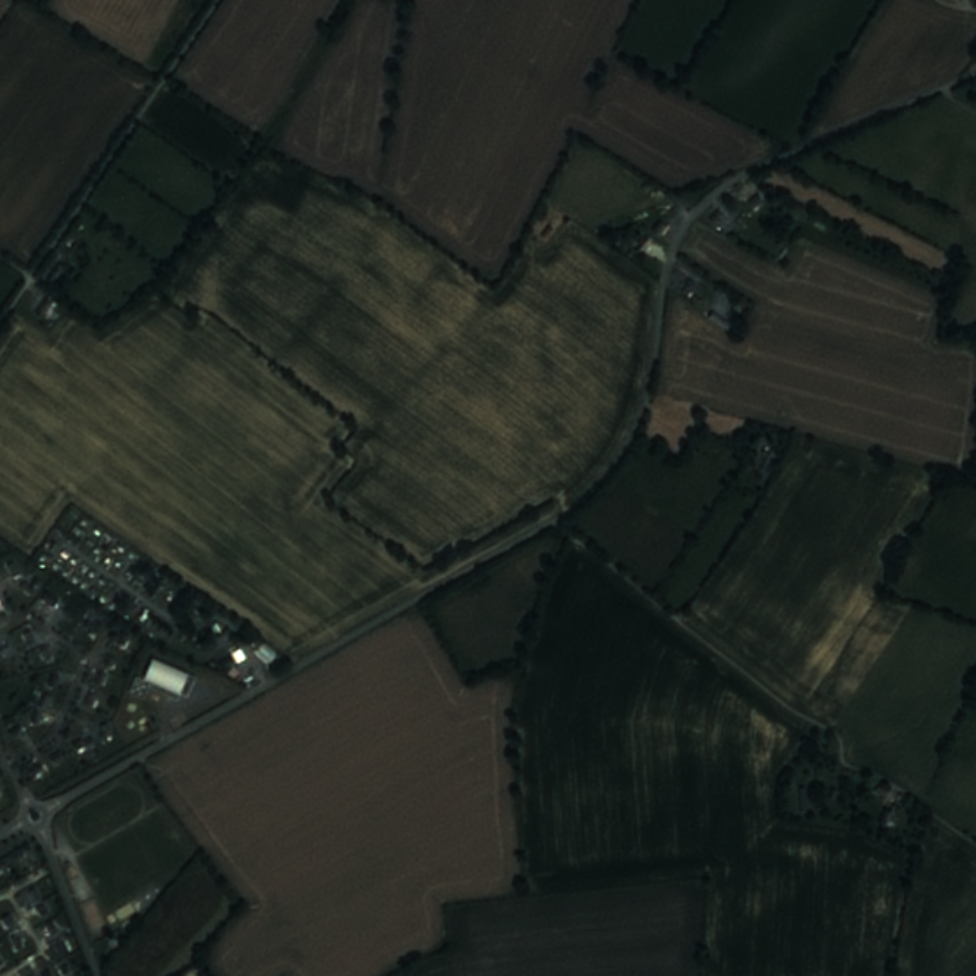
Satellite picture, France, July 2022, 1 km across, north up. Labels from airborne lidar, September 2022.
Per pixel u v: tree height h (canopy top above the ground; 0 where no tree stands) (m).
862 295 0
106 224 13
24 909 0
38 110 0
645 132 0
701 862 0
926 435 0
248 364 0
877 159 0
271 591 0
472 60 0
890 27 0
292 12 0
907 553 17
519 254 15
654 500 0
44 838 0
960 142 0
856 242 12
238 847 0
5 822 5
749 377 0
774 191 8
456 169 0
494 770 0
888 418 0
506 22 0
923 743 0
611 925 0
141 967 0
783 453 7
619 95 0
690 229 0
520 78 0
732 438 12
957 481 19
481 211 0
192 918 0
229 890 7
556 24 0
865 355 0
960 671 0
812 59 0
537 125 0
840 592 0
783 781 9
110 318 7
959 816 0
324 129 0
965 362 0
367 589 0
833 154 14
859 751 0
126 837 0
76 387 0
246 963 0
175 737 0
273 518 0
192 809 0
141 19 0
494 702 0
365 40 0
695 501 0
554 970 0
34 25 0
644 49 0
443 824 0
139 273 0
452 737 0
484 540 7
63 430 0
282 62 0
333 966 0
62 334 0
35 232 0
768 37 0
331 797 0
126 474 0
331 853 0
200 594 14
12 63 0
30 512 0
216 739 0
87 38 18
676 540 0
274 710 0
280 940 0
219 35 0
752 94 0
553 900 0
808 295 0
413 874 0
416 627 0
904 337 0
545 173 0
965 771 0
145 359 0
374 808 0
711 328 0
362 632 0
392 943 0
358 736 0
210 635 13
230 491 0
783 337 0
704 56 12
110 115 0
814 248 0
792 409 0
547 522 0
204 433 0
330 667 0
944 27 0
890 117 14
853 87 0
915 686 0
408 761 0
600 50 0
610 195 0
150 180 0
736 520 0
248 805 0
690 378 0
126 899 0
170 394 0
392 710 0
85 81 0
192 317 16
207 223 21
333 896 0
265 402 0
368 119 0
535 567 0
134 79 0
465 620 0
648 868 0
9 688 0
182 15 0
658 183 6
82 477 0
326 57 0
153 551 0
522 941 0
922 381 0
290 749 0
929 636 0
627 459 9
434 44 0
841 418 0
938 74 0
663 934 0
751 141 0
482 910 0
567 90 0
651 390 12
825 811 8
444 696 0
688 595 0
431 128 0
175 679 0
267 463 0
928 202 6
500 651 0
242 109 0
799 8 0
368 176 0
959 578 0
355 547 0
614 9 0
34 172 0
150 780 10
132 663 6
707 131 0
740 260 0
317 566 0
